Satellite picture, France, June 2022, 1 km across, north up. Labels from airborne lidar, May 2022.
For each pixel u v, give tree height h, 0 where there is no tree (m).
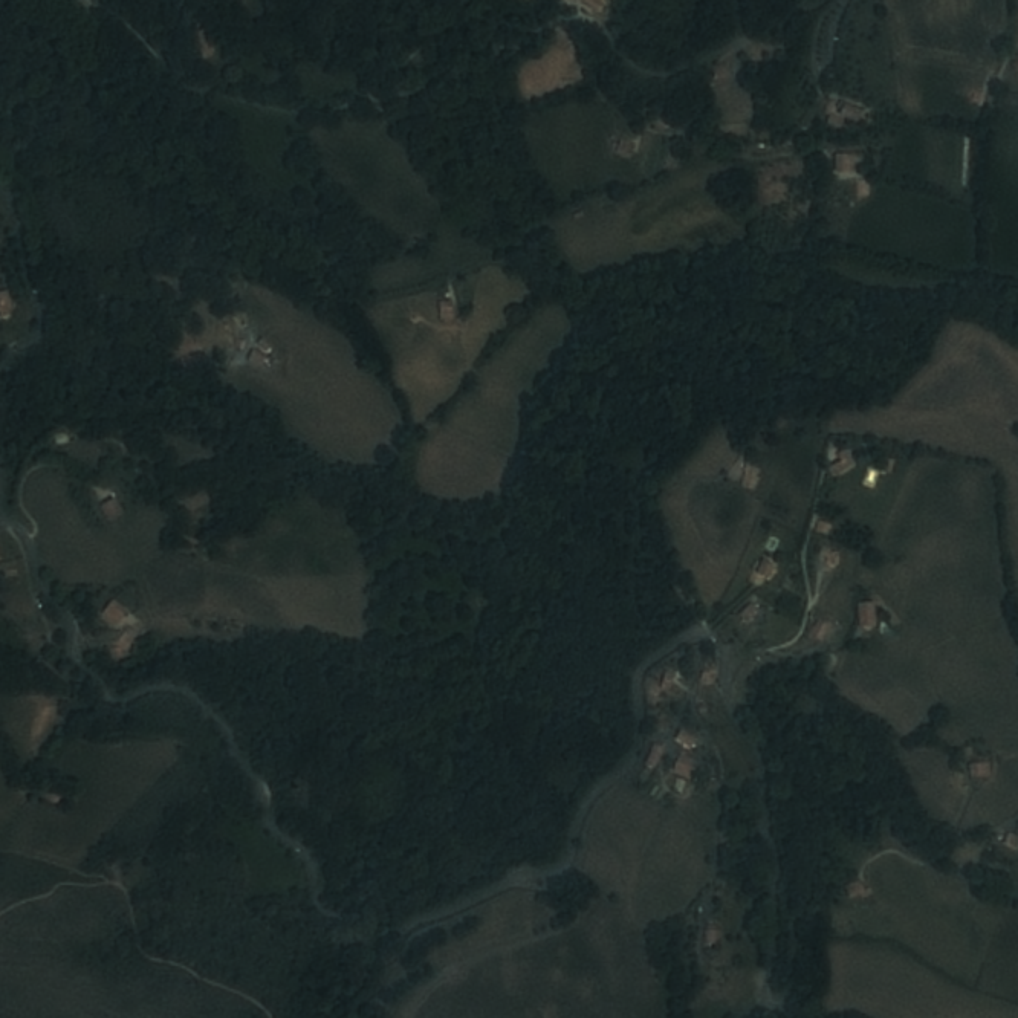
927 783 0
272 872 0
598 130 0
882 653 0
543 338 0
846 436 9
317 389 0
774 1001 0
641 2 7
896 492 0
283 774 20
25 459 9
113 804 0
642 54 16
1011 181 0
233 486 14
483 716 31
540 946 0
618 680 21
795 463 0
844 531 8
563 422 8
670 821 0
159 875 10
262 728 7
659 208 0
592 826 0
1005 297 29
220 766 8
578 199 15
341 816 10
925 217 0
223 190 15
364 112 20
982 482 0
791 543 0
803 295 26
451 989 0
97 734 21
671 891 0
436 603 23
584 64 10
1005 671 0
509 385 0
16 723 0
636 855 0
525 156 13
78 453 0
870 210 0
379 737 25
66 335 11
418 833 22
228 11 15
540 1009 0
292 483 16
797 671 12
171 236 21
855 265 17
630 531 13
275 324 0
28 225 15
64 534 0
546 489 19
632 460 0
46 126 19
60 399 21
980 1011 0
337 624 0
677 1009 19
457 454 0
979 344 0
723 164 7
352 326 16
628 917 0
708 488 0
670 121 16
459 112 17
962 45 0
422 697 23
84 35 28
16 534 0
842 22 7
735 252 23
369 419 0
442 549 9
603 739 28
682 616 17
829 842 27
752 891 24
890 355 24
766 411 20
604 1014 0
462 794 20
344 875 23
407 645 17
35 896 0
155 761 0
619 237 0
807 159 12
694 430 20
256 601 0
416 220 0
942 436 0
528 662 19
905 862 0
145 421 14
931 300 23
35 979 0
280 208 6
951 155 0
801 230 7
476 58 24
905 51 0
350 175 0
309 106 9
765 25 21
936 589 0
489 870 10
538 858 13
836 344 28
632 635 21
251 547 0
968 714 0
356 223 16
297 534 0
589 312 20
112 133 26
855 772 31
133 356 25
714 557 0
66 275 18
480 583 18
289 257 29
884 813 22
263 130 0
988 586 0
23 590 0
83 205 6
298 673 23
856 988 0
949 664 0
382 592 16
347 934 15
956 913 0
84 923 0
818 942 16
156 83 20
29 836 0
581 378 16
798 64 7
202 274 19
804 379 27
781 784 23
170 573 0
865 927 0
